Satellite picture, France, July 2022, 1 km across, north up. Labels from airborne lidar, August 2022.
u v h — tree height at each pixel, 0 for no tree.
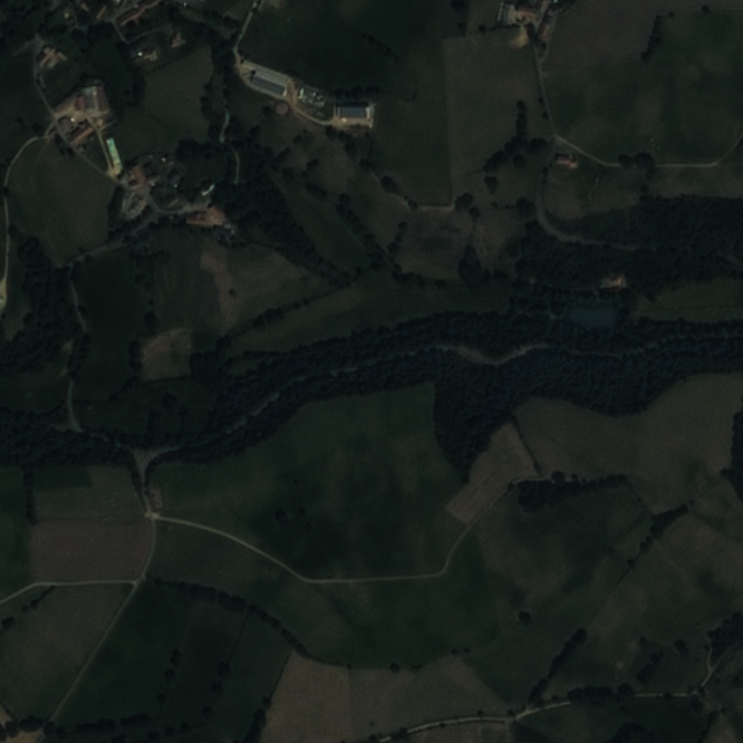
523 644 0
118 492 0
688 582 0
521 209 17
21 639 0
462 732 0
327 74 0
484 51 0
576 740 0
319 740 0
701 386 0
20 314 0
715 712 7
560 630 0
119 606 0
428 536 0
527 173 0
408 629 0
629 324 15
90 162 0
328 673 0
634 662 0
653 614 0
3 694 0
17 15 21
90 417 0
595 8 0
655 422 0
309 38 0
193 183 0
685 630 0
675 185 0
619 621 0
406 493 0
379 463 0
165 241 0
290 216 19
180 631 0
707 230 6
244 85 0
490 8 0
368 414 0
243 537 0
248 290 0
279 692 0
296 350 10
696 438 0
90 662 0
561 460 0
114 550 0
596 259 6
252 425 13
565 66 0
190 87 0
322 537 0
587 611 0
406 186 0
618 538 0
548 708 0
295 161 0
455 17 0
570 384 8
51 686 0
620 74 0
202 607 0
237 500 0
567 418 0
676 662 0
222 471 0
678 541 0
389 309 0
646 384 8
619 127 0
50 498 0
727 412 0
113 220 13
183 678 0
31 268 13
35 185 0
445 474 0
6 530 0
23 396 0
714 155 0
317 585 0
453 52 0
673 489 0
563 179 0
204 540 0
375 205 0
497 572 0
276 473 0
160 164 0
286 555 0
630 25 0
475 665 0
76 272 15
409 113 0
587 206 0
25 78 0
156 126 0
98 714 0
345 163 0
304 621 0
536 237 17
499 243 0
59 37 7
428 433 0
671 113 0
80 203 0
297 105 0
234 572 0
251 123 0
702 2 0
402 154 0
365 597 0
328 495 0
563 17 0
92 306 0
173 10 14
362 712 0
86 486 0
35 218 0
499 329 16
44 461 13
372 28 0
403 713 0
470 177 0
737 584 0
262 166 18
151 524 0
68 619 0
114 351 0
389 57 13
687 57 0
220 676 11
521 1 11
